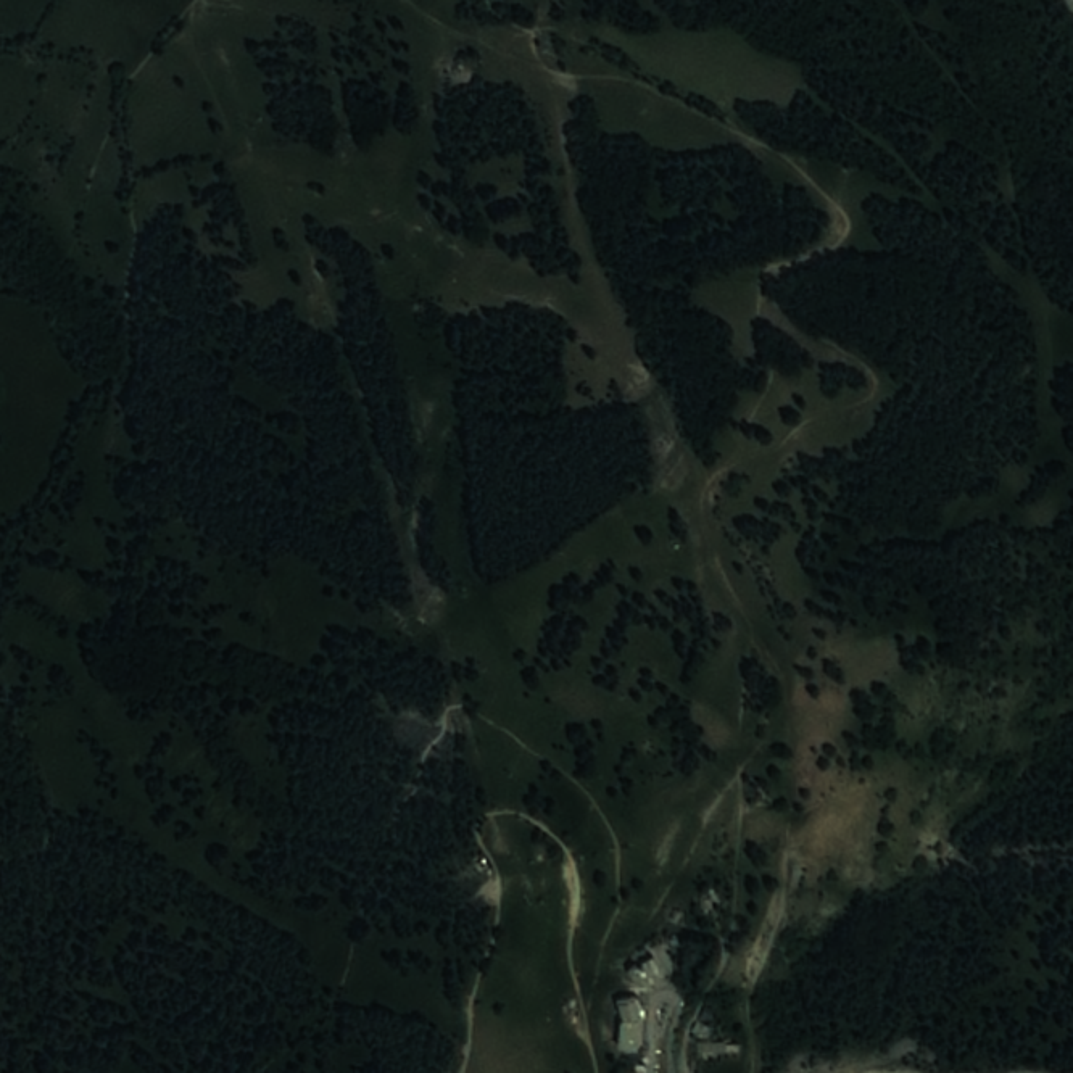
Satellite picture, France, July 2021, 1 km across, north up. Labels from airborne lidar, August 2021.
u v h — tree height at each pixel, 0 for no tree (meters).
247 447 13
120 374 11
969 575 8
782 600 7
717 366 20
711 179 19
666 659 0
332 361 19
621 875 0
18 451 0
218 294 17
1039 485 18
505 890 0
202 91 0
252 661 12
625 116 0
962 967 10
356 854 22
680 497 0
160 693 21
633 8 16
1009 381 14
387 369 16
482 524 21
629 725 0
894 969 7
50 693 8
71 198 0
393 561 14
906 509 17
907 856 0
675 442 0
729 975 0
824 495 19
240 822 0
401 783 12
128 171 9
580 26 0
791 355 25
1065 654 7
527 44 0
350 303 13
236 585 0
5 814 19
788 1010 9
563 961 0
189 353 16
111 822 10
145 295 10
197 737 8
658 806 0
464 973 9
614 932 0
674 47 0
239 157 0
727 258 25
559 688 0
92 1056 22
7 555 12
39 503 10
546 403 9
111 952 0
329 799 21
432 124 0
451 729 0
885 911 20
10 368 0
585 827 0
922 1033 9
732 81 0
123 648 25
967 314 19
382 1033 14
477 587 0
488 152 7
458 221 19
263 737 0
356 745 14
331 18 0
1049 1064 11
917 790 0
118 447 0
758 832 0
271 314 11
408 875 17
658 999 0
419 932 18
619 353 0
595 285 0
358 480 19
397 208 0
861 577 22
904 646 15
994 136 12
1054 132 9
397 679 19
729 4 12
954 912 11
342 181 0
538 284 0
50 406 0
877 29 7
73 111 0
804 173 0
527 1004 0
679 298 18
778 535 15
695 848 0
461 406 20
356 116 17
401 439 15
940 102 12
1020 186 10
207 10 0
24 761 12
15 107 0
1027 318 17
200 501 15
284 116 14
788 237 19
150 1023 19
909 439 18
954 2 7
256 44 17
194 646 12
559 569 0
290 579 0
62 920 16
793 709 0
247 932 20
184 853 0
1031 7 6
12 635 0
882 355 18
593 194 20
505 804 0
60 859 21
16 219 21
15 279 12
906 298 23
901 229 20
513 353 13
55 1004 9
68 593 0
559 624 20
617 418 23
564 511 22
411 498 21
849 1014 14
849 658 0
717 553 0
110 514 0
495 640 0
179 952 14
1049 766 10
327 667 17
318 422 17
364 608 18
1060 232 19
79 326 15
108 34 0
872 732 11
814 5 10
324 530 22
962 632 12
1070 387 21
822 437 0
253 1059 17
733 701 0
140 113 0
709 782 0
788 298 19
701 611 14
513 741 0
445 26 0
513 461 24
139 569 16
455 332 21
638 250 22
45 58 8
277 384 14
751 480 8
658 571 0
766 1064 8
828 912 0
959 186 16
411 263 0
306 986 14
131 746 0
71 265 12
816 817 0
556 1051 0
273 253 0
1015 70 7
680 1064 0
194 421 24
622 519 0
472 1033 0
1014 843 18
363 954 0
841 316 25
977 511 0
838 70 6
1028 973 0
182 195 0
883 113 11
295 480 15
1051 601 8
